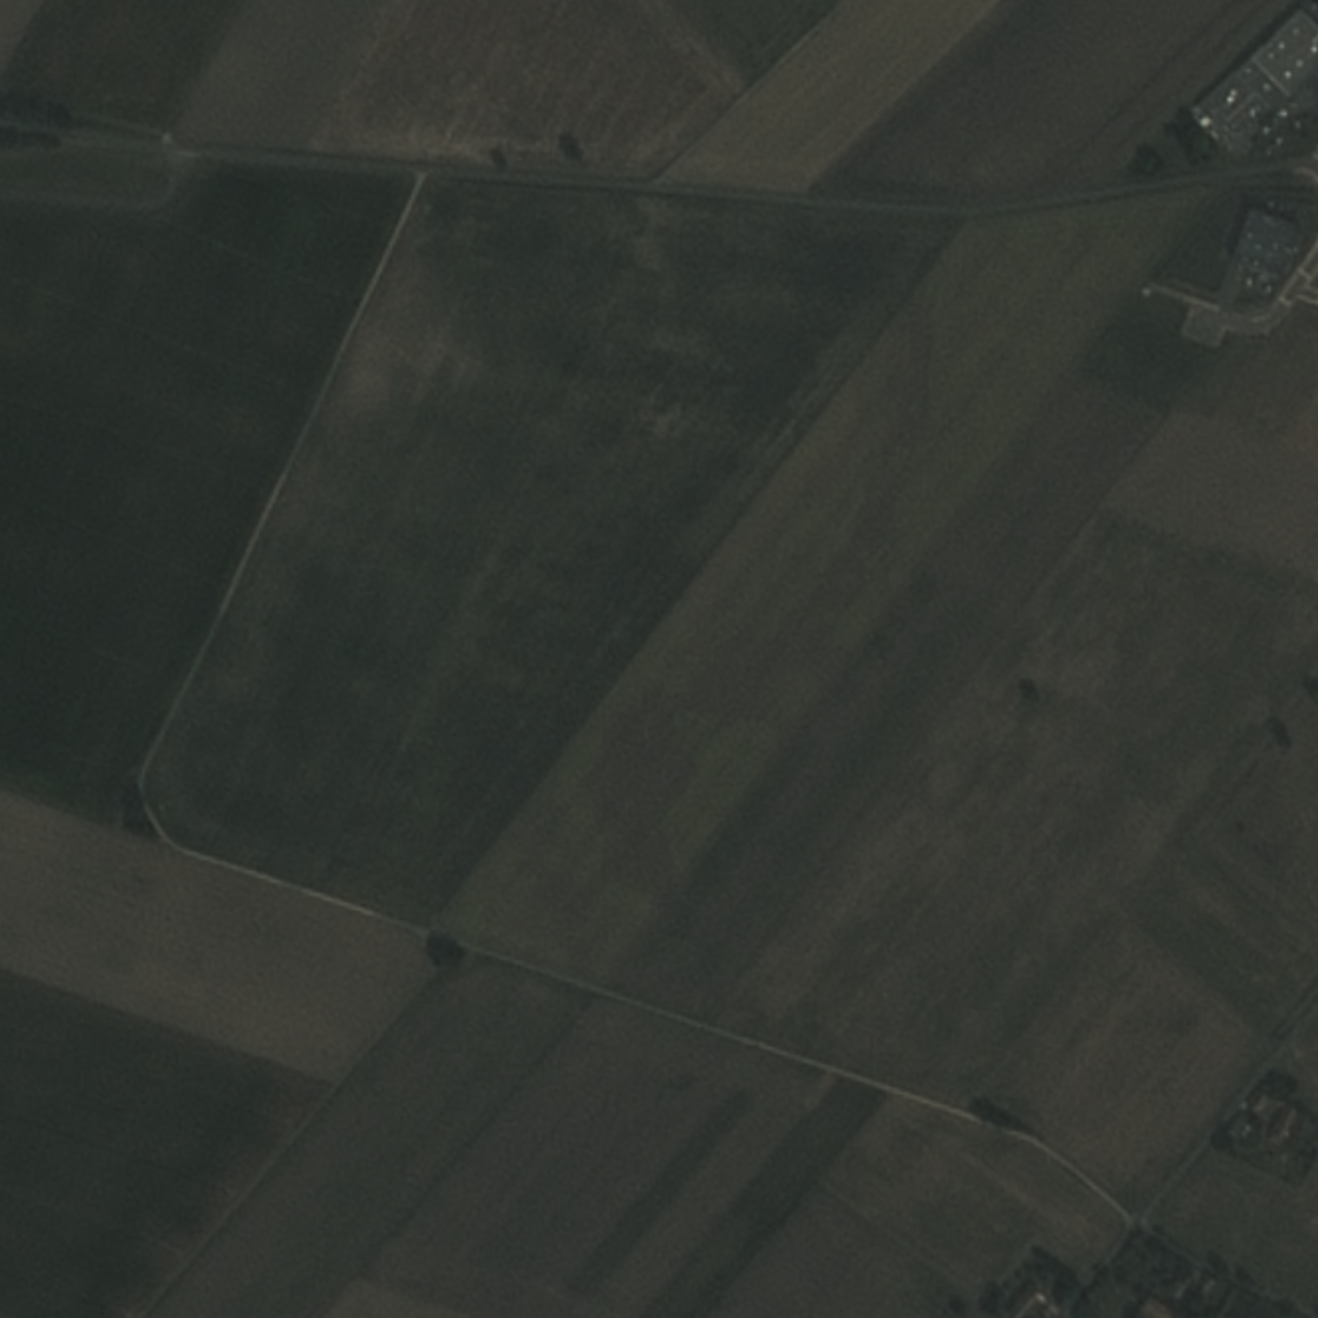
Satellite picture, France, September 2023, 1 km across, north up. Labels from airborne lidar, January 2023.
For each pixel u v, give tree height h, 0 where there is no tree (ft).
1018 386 0
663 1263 0
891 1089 0
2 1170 0
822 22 0
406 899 0
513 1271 0
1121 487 0
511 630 0
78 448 0
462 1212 0
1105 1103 0
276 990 0
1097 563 0
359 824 0
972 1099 0
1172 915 0
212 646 0
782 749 0
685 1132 0
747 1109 0
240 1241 0
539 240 0
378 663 0
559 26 0
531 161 0
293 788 0
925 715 0
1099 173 0
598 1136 0
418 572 0
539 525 0
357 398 0
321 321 0
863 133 0
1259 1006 0
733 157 0
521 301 0
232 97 0
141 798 33
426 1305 0
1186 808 0
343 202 0
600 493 0
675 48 0
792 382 0
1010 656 0
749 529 0
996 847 0
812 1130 0
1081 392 0
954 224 0
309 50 0
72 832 0
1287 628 0
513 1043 0
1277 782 0
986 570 0
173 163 0
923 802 0
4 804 0
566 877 0
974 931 0
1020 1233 0
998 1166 0
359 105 0
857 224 0
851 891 0
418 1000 0
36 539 0
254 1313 0
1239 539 0
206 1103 0
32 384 0
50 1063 0
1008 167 0
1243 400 0
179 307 0
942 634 0
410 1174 0
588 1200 0
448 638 0
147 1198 0
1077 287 0
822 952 0
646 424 0
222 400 0
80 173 0
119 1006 0
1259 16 0
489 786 0
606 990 0
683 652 0
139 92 0
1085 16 0
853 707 0
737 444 0
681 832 0
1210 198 0
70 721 0
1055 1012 0
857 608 0
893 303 0
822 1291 0
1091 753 0
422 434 0
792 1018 0
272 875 0
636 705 0
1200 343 0
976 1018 0
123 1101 0
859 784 0
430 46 0
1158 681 0
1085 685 0
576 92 0
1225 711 0
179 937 0
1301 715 0
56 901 0
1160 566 0
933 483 0
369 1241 0
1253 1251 0
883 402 0
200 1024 0
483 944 0
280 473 0
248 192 0
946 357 0
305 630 0
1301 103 0
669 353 0
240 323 0
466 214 0
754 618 0
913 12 0
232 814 0
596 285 0
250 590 0
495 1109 0
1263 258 0
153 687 0
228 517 0
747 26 0
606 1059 0
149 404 0
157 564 0
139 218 0
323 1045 0
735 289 0
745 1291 0
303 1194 0
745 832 0
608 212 0
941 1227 0
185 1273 0
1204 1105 0
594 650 0
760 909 0
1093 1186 0
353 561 0
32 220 0
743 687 0
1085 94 0
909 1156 0
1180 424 0
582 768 0
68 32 0
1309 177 0
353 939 0
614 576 0
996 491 0
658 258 0
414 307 0
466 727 0
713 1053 0
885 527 0
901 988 0
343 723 0
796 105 0
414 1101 0
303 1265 0
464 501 0
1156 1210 0
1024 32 0
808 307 0
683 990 0
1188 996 0
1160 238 0
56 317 0
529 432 0
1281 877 0
